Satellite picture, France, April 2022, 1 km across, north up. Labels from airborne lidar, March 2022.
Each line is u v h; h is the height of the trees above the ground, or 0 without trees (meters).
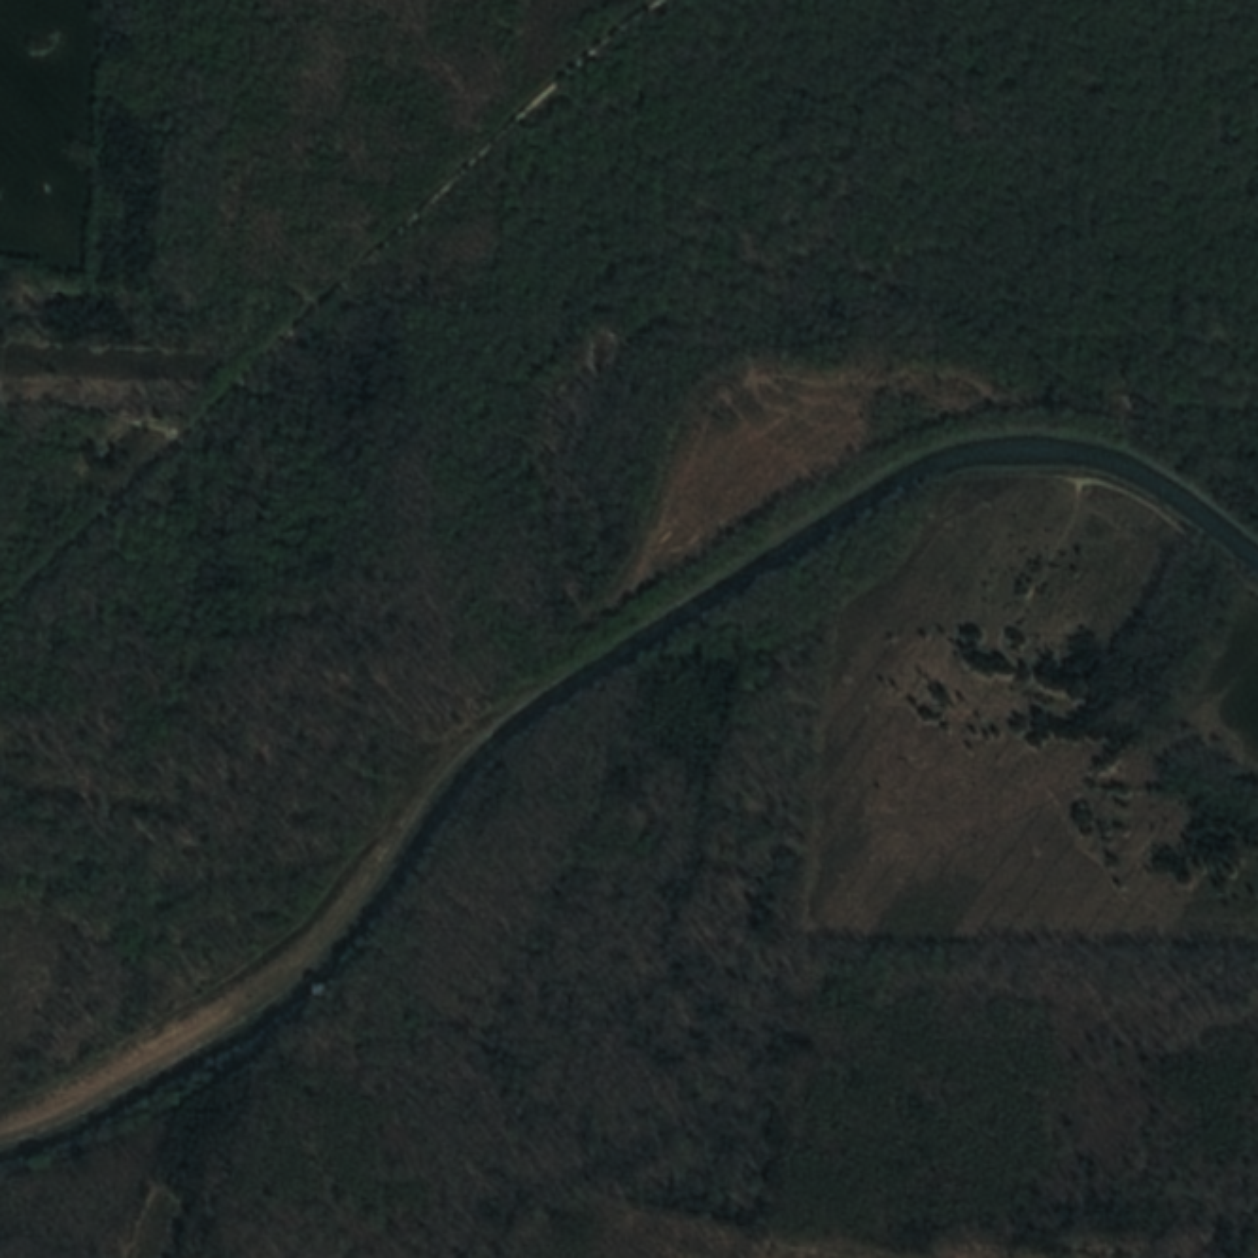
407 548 25
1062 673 9
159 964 28
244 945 26
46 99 0
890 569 25
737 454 19
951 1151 19
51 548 18
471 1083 32
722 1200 26
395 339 26
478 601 25
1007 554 0
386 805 26
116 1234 16
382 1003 24
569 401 28
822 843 0
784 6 28
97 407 0
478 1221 24
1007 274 21
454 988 27
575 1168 31
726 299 24
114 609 21
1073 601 0
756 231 27
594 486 28
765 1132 26
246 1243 17
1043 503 0
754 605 26
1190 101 25
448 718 27
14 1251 26
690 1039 27
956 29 20
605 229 19
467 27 15
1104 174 21
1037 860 0
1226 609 27
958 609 0
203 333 24
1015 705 0
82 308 10
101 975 27
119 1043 22
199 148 26
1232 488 20
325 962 0
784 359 23
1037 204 18
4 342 28
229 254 17
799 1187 20
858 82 23
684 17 22
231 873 29
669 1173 30
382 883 0
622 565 26
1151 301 23
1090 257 24
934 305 27
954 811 0
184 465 23
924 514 23
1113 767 17
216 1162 22
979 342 28
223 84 25
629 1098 30
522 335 25
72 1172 12
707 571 19
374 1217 19
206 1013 0
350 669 32
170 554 24
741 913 29
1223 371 30
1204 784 24
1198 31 22
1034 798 0
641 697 25
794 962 31
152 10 17
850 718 0
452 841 26
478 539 25
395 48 17
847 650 0
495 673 26
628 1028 23
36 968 0
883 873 0
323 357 24
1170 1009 25
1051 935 0
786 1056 26
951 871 0
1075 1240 23
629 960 22
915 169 24
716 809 22
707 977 30
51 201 0
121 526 25
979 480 0
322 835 25
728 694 19
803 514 22
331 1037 26
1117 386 25
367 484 22
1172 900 0
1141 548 0
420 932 25
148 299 17
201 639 19
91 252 12
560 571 30
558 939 24
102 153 13
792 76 25
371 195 16
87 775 28
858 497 18
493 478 23
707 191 25
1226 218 27
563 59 10
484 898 27
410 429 24
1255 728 0
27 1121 0
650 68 20
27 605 17
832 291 23
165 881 29
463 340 20
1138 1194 14
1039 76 22
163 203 17
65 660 23
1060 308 26
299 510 21
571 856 26
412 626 26
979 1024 20
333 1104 19
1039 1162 18
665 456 26
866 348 23
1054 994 20
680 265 23
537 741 20
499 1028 27
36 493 21
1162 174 25
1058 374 25
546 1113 30
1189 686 24
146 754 23
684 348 26
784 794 26
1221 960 28
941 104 23
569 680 0
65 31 0
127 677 27
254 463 25
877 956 24
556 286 20
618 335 26
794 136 19
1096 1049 16
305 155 19
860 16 19
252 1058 7
